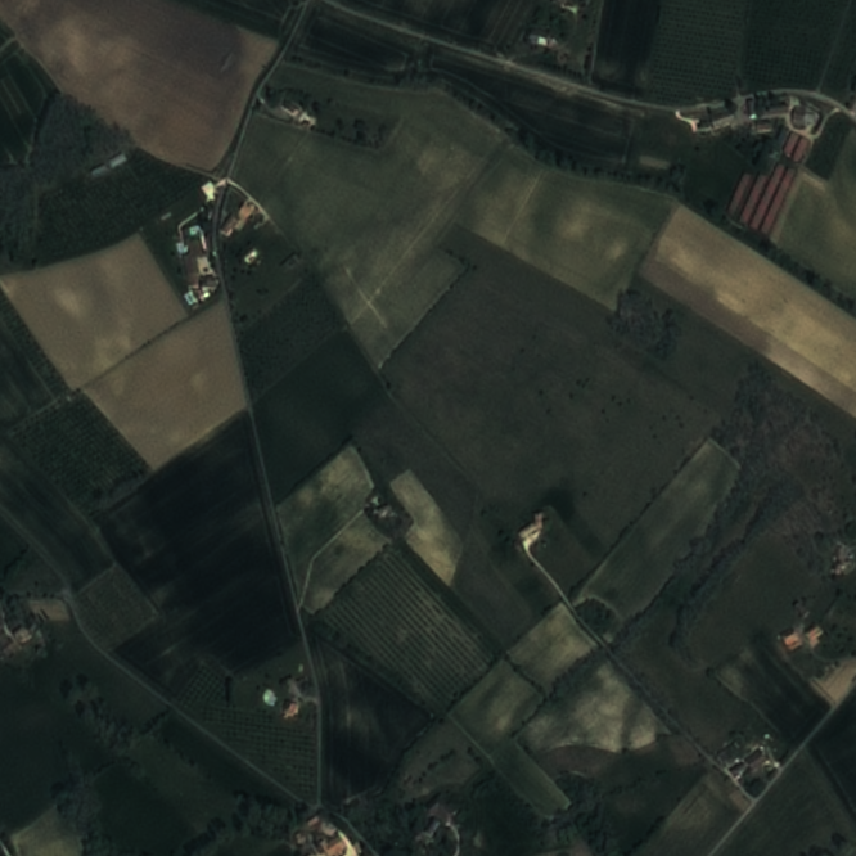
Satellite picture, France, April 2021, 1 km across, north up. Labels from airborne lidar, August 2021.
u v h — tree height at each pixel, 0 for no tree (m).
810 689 0
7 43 0
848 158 0
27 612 10
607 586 0
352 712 0
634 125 0
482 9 0
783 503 18
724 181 0
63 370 0
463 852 11
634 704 0
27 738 0
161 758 0
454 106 0
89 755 0
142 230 0
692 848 0
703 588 16
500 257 0
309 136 0
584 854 0
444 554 0
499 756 0
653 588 0
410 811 13
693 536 0
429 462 0
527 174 0
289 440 0
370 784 0
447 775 0
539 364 0
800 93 0
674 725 12
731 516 12
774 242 0
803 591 0
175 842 0
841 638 9
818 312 0
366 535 0
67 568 0
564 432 0
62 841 0
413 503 0
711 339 0
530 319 0
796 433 11
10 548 0
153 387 0
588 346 0
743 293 0
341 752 0
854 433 0
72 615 0
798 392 0
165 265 0
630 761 0
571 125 0
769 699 0
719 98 0
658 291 0
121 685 0
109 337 0
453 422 0
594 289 0
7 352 0
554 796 0
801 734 0
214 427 0
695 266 0
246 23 0
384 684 0
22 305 0
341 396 0
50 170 20
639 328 18
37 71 0
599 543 0
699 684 0
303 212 0
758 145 10
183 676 0
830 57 0
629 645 20
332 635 7
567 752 0
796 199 0
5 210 22
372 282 0
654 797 0
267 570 0
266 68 0
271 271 0
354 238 0
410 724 0
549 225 0
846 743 0
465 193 0
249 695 0
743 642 0
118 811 0
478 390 0
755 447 11
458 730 0
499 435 0
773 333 0
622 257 0
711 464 0
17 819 0
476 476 0
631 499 0
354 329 0
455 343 0
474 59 0
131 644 0
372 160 0
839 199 0
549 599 0
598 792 6
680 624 12
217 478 0
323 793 0
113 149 19
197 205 0
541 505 0
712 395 0
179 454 0
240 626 0
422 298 0
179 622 0
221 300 0
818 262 0
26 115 0
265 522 0
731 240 0
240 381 0
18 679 10
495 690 0
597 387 0
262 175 0
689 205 6
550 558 0
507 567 0
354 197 0
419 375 0
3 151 0
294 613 0
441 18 0
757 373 11
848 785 0
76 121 22
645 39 0
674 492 0
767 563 0
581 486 0
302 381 0
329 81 0
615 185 0
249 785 0
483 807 0
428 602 0
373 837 6
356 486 0
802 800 0
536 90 0
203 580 0
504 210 0
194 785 0
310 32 0
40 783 0
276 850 0
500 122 8
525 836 0
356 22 0
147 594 0
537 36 0
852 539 6
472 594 0
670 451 0
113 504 12
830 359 0
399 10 0
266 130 0
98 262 0
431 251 0
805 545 17
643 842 7
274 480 0
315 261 0
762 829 0
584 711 0
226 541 0
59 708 0
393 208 0
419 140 0
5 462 0
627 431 0
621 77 0
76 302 0
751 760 0
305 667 0
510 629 0
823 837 0
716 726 0
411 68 0
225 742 0
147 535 0
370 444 0
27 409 0
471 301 0
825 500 6
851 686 0
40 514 0
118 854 13
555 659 0
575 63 0
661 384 0
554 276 0
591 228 0
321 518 0
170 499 0
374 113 0
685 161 0
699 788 0
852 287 0
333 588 0
